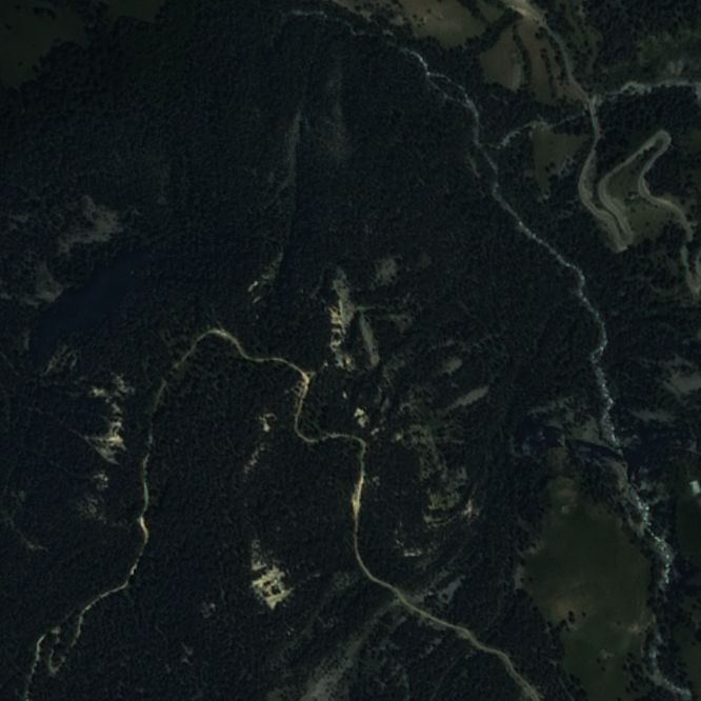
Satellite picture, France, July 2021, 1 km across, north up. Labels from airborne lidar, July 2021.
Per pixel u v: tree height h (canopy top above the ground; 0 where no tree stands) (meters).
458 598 13
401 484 9
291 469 15
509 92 12
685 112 15
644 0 16
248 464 8
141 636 12
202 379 10
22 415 7
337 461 11
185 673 8
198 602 10
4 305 8
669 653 12
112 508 10
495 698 11
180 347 12
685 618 26
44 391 10
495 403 10
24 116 17
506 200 6
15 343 13
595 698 0
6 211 10
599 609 0
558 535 0
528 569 0
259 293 15
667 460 12
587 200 0
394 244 17
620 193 0
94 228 7
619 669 0
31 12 0
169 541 11
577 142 0
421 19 7
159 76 12
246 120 6
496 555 12
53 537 13
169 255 13
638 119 11
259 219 13
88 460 14
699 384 0
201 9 13
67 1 18
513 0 0
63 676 9
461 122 8
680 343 11
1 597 14
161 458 14
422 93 13
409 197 15
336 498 13
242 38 18
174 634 16
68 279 9
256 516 17
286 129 7
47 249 14
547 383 11
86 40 0
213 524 13
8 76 0
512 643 14
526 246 20
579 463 15
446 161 18
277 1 10
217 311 10
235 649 15
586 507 0
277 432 12
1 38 0
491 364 19
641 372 7
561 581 0
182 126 13
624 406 15
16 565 13
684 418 11
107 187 11
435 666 15
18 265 15
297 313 11
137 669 16
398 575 12
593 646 0
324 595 15
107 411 11
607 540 0
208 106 13
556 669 14
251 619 12
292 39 15
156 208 11
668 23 15
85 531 13
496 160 8
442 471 7
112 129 12
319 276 11
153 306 11
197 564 13
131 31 16
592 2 7
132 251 12
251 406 11
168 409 13
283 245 6
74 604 12
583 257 7
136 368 12
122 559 16
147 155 9
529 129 8
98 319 11
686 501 0
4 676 16
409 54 6
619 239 0
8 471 11
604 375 7
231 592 12
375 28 10
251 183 11
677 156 18
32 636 9
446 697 10
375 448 10
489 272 16
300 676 8
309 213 8
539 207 9
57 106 25
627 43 12
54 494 13
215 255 7
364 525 14
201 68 13
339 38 12
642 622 0
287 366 10
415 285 15
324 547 12
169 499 17
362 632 8
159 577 16
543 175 0
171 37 16
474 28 0
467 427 10
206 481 7
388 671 8
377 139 14
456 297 12
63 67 21
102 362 10
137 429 13
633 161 0
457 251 13
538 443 9
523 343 16
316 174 8
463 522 6
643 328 10
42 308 10
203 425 13
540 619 13
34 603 15
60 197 13
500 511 9
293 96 17
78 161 16
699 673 0
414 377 12
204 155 6
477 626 10
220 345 11
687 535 0
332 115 8
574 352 15
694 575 12
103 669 15
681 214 0
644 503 14
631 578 0
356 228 10
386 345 13
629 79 9
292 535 12
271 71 12
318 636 12
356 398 10
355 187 11
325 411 18
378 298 7
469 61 8
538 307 13
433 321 14
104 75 22
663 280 11
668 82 0
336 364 6
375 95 15
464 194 14
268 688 11
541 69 0
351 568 11
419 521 9
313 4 15
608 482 13
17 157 15
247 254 12
